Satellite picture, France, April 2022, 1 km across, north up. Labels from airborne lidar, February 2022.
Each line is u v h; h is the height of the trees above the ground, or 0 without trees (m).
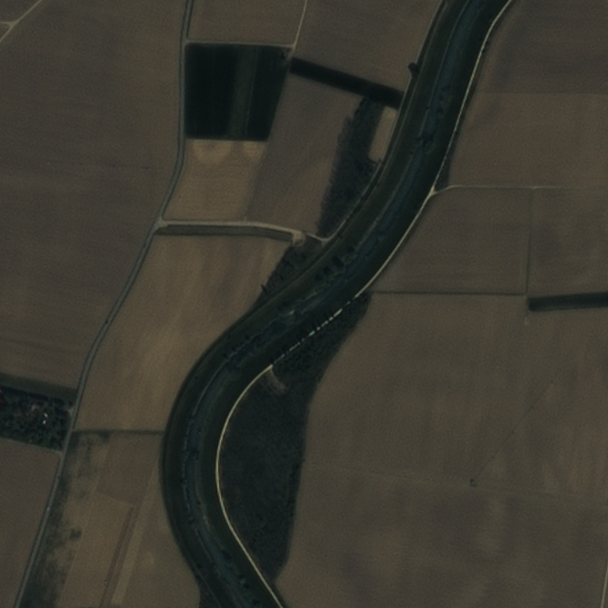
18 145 0
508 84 0
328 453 0
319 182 0
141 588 0
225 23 0
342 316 7
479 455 0
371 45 0
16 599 0
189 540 0
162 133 0
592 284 0
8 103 0
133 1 0
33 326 0
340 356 0
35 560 0
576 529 0
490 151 0
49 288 0
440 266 0
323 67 0
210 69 0
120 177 0
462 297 0
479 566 0
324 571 0
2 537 0
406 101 0
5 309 0
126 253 0
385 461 0
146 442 0
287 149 0
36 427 9
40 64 0
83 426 0
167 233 0
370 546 0
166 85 0
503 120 0
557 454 0
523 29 0
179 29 0
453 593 0
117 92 0
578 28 0
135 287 0
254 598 0
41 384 0
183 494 0
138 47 0
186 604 0
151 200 0
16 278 0
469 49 0
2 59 0
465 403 0
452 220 0
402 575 0
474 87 0
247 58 0
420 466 0
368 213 0
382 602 0
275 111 0
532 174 0
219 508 0
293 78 0
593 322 0
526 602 0
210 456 0
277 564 18
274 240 0
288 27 0
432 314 0
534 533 0
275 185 0
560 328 0
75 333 0
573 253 0
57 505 0
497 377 0
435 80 0
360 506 0
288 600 0
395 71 0
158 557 0
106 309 0
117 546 0
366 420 0
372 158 0
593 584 0
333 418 0
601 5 0
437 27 0
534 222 0
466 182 0
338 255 0
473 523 0
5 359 0
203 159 0
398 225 0
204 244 0
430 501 0
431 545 0
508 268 0
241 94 0
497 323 0
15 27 0
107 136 0
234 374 19
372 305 0
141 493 0
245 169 0
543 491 0
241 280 0
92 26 0
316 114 0
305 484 0
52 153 0
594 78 0
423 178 0
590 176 0
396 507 0
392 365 0
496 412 0
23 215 0
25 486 0
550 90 0
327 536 0
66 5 0
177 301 0
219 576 13
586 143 0
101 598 0
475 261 0
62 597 0
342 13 0
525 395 0
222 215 0
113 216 0
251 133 0
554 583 0
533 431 0
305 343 14
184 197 0
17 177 0
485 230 0
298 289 0
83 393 0
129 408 0
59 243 0
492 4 0
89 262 0
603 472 0
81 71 0
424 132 0
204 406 0
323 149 0
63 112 0
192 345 0
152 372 0
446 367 0
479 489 0
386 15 0
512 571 0
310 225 0
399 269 0
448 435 0
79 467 0
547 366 0
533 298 0
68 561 0
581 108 0
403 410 0
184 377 0
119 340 0
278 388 0
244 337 0
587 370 0
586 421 0
